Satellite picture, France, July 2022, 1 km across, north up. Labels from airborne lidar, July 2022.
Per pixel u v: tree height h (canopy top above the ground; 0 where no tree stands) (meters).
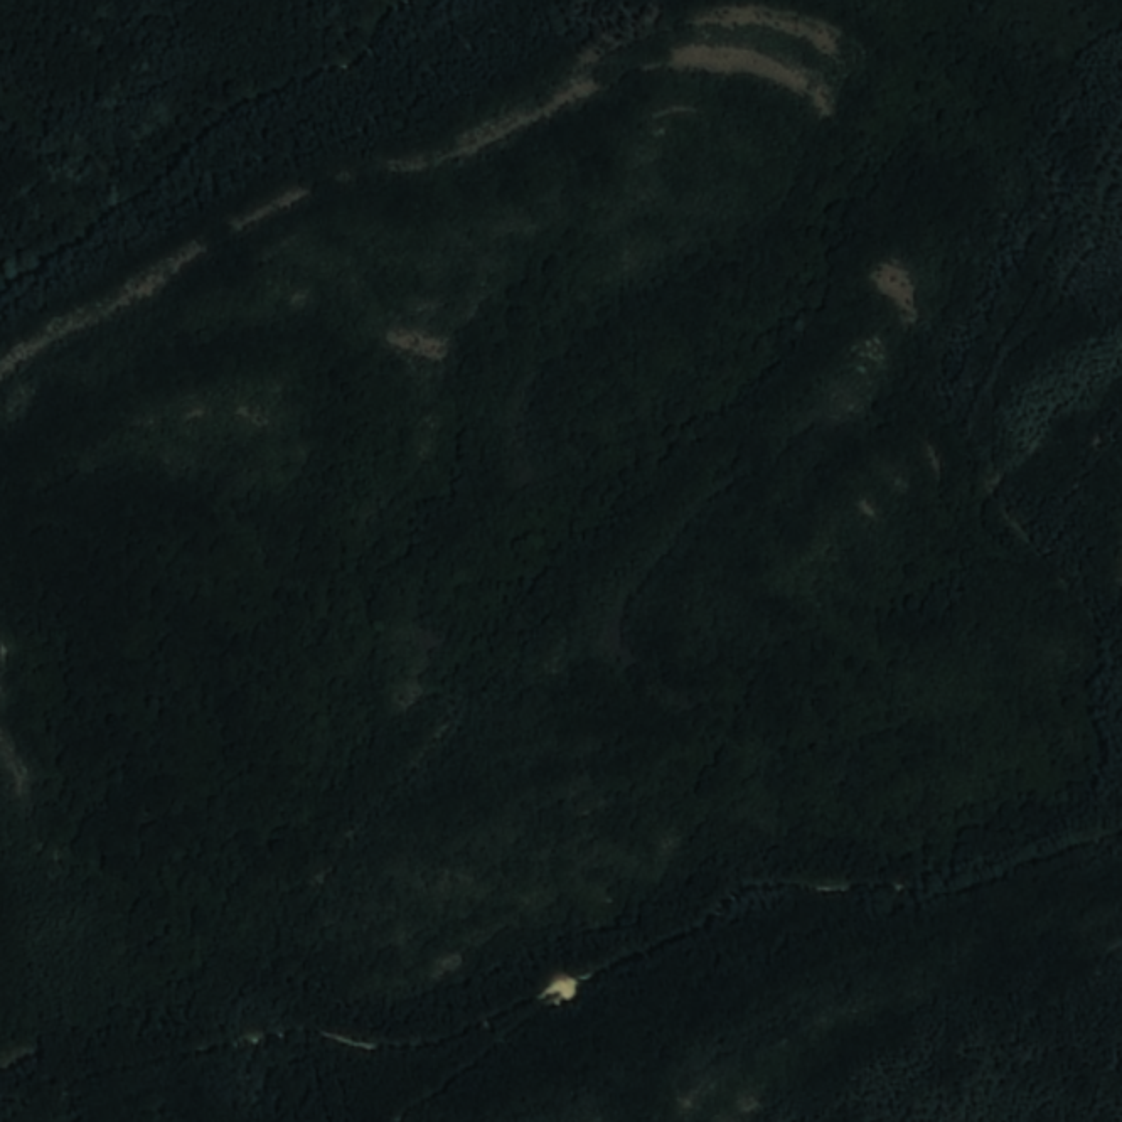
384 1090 20
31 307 20
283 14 18
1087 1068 17
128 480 18
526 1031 14
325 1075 21
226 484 13
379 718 13
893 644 15
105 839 21
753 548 9
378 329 6
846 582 8
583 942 22
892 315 14
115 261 22
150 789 24
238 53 19
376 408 8
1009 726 6
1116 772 22
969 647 8
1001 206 11
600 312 12
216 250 11
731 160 7
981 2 13
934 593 20
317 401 12
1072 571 12
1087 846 12
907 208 19
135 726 10
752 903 21
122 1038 23
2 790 5
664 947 22
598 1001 16
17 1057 0
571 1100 7
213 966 21
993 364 18
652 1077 9
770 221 13
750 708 18
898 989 8
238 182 23
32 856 12
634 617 11
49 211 16
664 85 10
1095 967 12
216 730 15
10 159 19
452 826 11
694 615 5
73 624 20
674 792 13
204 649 20
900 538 9
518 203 8
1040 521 17
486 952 12
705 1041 7
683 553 7
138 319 7
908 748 8
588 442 19
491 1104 18
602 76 9
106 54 22
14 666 13
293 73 16
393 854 11
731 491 12
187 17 14
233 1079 20
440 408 9
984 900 20
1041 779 9
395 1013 22
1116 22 6
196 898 10
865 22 14
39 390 7
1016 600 15
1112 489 9
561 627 9
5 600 22
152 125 22
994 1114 17
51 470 11
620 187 7
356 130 20
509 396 7
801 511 9
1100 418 10
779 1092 10
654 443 9
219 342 13
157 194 22
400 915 8
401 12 14
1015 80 15
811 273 15
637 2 19
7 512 18
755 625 9
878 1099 19
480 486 19
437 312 5
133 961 18
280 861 23
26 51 21
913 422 20
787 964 19
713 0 13
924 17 9
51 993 13
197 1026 17
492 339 16
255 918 10
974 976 9
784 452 8
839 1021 6
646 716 14
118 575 20
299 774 19
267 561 13
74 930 10
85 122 27
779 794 10
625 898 10
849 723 9
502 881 9
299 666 17
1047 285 19
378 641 9
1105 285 18
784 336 21
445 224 6
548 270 18
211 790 7
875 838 8
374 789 9
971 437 13
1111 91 18
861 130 13
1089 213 18
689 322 13
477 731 12
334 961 12
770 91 12
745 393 16
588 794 6
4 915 21
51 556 19
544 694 8
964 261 23
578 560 21
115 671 20
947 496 20
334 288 7
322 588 21
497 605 9
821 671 18
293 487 9
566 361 12
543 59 15
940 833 12
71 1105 9
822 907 20
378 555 17
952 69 21
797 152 15
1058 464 9
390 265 6
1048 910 11
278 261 8
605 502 19
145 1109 14
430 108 18
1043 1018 17
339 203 13
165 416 6
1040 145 20
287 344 11
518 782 10
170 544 9
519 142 7
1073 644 6
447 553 15
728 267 14
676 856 7
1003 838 23
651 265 8
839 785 8
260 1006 20
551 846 10
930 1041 18
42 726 9
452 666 8
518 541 23
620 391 12
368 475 16
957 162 17
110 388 11
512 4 17
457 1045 17
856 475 7
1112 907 9
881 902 23
